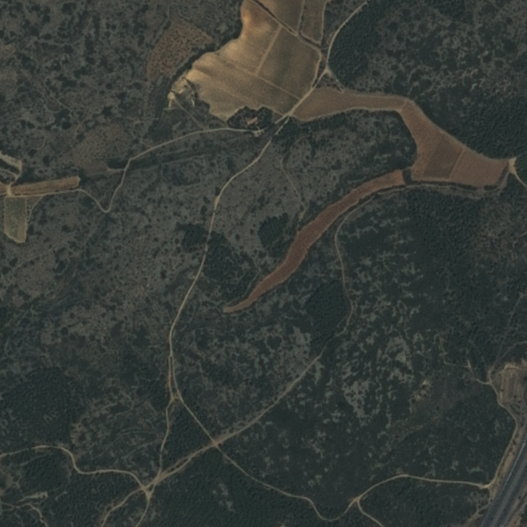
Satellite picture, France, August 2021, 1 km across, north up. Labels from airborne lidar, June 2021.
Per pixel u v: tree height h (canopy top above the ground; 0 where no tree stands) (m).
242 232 0
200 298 0
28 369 0
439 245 9
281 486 9
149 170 0
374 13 8
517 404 0
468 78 0
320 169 0
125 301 0
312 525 9
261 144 0
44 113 0
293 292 0
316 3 0
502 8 0
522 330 0
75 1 0
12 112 0
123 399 0
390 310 0
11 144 0
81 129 0
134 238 0
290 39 0
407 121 0
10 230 0
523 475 0
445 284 7
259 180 0
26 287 0
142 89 0
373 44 7
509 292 6
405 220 0
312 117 0
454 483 0
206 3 0
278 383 0
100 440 0
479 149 10
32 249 0
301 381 0
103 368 0
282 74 0
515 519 0
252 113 7
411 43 0
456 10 8
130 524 0
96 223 0
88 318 0
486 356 8
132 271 0
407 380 0
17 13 0
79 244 0
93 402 0
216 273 8
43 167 0
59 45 0
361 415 0
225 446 8
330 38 0
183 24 0
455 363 9
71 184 0
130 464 0
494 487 0
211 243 8
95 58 0
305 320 0
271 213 0
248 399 0
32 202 0
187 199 0
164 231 0
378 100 0
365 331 0
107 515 0
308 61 0
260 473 6
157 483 0
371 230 0
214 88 0
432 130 0
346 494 0
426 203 9
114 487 7
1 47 0
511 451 0
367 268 0
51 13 0
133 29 0
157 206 0
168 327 0
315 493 0
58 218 0
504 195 8
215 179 0
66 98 0
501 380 0
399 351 0
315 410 0
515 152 8
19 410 5
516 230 0
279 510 10
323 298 8
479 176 0
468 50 0
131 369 8
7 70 0
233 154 0
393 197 0
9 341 0
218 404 0
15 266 0
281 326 0
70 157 0
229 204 0
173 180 0
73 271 0
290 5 0
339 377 0
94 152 0
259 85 0
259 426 0
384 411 0
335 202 0
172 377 0
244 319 0
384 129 0
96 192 0
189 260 0
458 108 0
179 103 0
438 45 0
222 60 0
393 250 0
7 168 0
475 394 0
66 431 8
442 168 0
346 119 8
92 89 0
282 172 0
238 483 7
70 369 0
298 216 0
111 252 0
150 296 0
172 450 8
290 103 0
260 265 0
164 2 0
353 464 0
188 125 0
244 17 0
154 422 0
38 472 9
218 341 0
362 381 0
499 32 0
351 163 0
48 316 0
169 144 0
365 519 6
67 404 6
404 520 0
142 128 0
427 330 0
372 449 0
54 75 0
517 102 7
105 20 0
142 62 0
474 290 10
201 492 6
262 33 0
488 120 7
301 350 0
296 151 0
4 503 0
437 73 0
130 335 0
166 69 0
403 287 0
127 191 0
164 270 0
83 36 0
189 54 0
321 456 0
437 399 0
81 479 6
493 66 0
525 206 0
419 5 0
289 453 0
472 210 6
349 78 7
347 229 0
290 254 0
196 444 10
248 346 0
